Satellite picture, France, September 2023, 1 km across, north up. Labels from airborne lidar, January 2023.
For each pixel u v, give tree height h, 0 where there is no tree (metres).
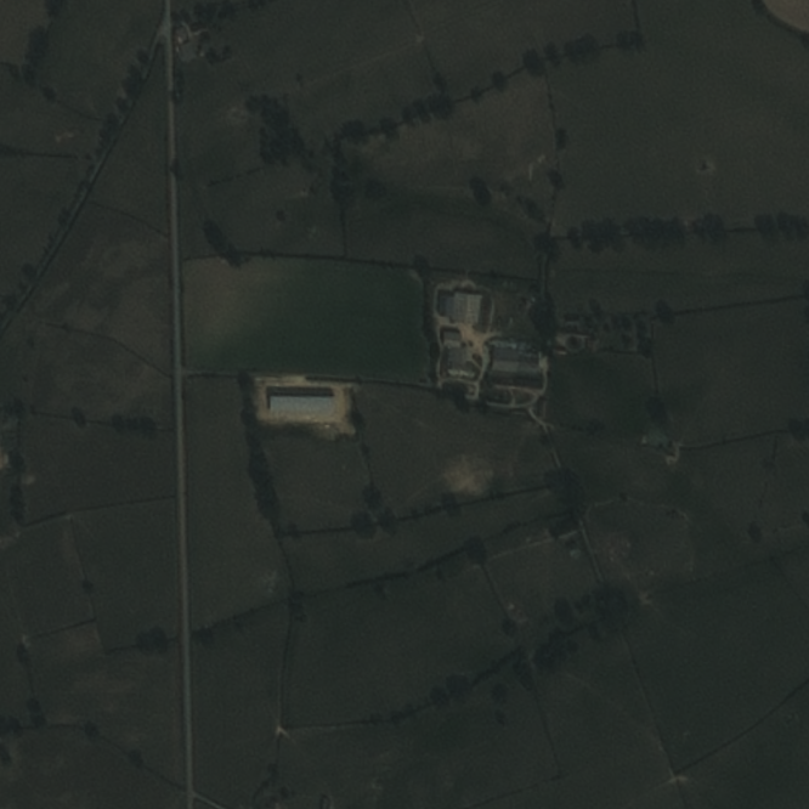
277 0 0
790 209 0
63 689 0
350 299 0
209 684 0
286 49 0
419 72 0
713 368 0
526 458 0
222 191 0
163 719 0
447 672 0
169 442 0
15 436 0
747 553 0
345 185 18
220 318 0
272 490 15
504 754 0
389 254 0
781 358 0
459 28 0
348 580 0
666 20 0
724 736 0
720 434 0
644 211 0
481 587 0
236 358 0
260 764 0
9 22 0
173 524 0
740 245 0
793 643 0
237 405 0
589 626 0
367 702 0
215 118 0
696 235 16
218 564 0
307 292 0
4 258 0
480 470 0
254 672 0
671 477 0
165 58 0
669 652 0
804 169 0
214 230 16
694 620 0
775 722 0
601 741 0
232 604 0
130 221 0
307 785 0
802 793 0
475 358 0
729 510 0
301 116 0
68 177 0
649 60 0
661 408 19
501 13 0
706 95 0
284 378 0
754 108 0
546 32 0
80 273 0
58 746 0
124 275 0
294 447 0
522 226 0
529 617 0
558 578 0
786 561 0
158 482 0
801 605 0
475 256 0
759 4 14
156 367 0
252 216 0
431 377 10
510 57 0
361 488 0
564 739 0
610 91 0
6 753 19
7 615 0
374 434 0
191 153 0
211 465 0
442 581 12
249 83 0
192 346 0
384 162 0
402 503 0
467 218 0
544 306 13
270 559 0
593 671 0
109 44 0
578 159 0
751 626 0
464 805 0
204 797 0
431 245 0
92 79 0
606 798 0
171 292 0
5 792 0
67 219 10
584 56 16
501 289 0
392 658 0
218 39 0
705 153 0
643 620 0
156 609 0
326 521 0
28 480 0
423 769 0
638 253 0
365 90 0
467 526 0
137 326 0
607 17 0
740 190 0
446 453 0
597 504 0
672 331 0
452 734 0
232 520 0
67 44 0
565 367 0
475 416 0
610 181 0
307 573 0
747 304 0
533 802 0
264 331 0
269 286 0
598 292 0
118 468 0
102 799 0
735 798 0
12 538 0
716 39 0
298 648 0
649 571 0
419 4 0
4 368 0
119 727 0
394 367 0
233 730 0
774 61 0
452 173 0
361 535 12
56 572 0
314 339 0
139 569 0
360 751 0
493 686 0
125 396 0
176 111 0
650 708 0
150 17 0
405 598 0
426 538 0
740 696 0
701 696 0
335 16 0
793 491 0
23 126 0
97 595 0
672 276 0
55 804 0
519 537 0
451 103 10
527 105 0
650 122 0
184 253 0
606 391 0
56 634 0
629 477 0
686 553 0
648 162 0
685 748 0
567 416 0
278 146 16
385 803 0
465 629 0
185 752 0
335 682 0
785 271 0
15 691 0
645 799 0
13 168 0
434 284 0
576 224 0
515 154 0
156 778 0
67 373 0
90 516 0
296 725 0
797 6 0
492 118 0
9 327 0
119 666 0
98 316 0
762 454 0
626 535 0
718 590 0
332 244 0
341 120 0
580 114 0
